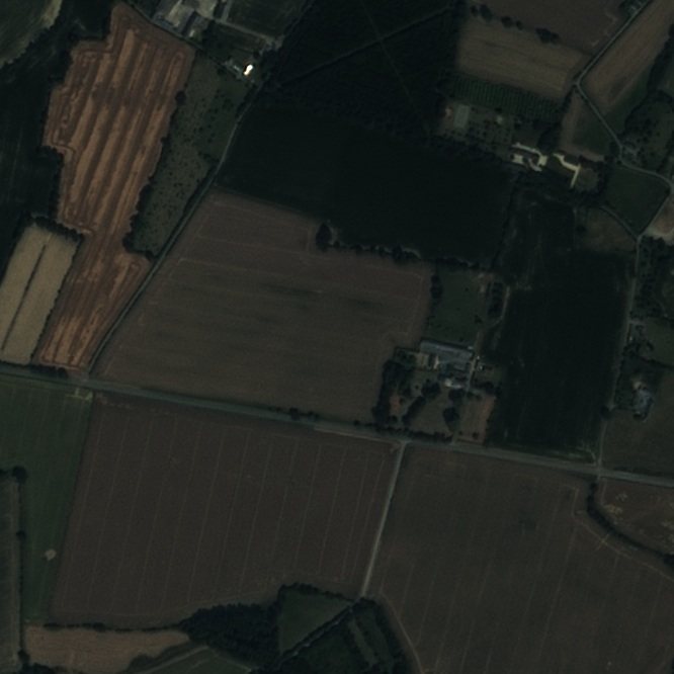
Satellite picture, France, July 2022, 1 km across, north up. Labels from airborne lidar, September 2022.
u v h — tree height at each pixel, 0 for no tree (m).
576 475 0
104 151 0
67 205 0
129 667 0
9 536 0
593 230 0
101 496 0
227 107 7
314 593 9
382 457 0
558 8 0
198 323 0
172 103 0
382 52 10
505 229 10
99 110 0
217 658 0
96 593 0
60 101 0
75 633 0
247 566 0
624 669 0
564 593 0
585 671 0
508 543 0
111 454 0
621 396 5
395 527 0
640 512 0
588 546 0
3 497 0
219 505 0
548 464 0
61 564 0
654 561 0
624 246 0
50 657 0
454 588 0
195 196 8
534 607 0
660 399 0
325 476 0
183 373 0
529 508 0
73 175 0
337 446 0
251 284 0
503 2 0
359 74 11
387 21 10
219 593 0
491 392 14
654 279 6
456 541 0
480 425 0
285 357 0
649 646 0
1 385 0
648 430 0
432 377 0
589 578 0
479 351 0
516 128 12
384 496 0
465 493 0
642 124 6
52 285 0
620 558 0
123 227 0
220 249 0
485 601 0
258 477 0
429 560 0
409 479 0
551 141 15
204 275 0
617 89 0
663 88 0
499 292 8
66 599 0
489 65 0
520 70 0
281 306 0
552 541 0
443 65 10
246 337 0
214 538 0
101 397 0
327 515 0
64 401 0
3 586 0
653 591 0
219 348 0
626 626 0
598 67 0
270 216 0
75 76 0
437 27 10
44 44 15
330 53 11
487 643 0
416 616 0
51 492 0
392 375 19
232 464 0
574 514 0
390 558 0
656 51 0
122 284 0
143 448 0
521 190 9
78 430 0
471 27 0
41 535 0
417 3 9
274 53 15
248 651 26
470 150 13
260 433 0
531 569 0
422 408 10
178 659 0
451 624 0
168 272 0
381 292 0
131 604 0
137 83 0
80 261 0
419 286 0
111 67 0
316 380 0
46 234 0
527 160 12
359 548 0
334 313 0
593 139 0
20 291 0
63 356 0
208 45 9
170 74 0
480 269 14
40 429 0
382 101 12
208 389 0
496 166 14
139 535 0
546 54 0
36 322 0
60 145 0
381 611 9
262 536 0
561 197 13
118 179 0
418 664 0
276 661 26
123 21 0
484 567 0
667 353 0
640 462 0
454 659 0
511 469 0
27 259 0
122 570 0
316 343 0
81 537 0
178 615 0
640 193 0
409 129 14
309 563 0
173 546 0
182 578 0
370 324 0
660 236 0
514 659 0
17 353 0
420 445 0
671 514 0
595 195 10
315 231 0
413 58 12
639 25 0
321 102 13
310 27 12
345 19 10
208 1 0
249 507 0
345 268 0
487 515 0
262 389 0
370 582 0
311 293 0
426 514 0
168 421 0
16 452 0
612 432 0
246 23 0
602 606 0
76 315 0
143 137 0
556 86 0
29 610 0
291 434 0
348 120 14
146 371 0
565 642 0
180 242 0
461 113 0
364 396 0
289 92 12
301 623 0
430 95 12
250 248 0
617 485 0
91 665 0
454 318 0
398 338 0
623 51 0
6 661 0
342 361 0
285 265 0
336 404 0
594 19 0
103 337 0
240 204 0
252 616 33
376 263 0
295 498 0
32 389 0
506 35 0
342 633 9
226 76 7
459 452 0
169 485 0
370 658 0
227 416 0
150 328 0
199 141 0
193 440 0
